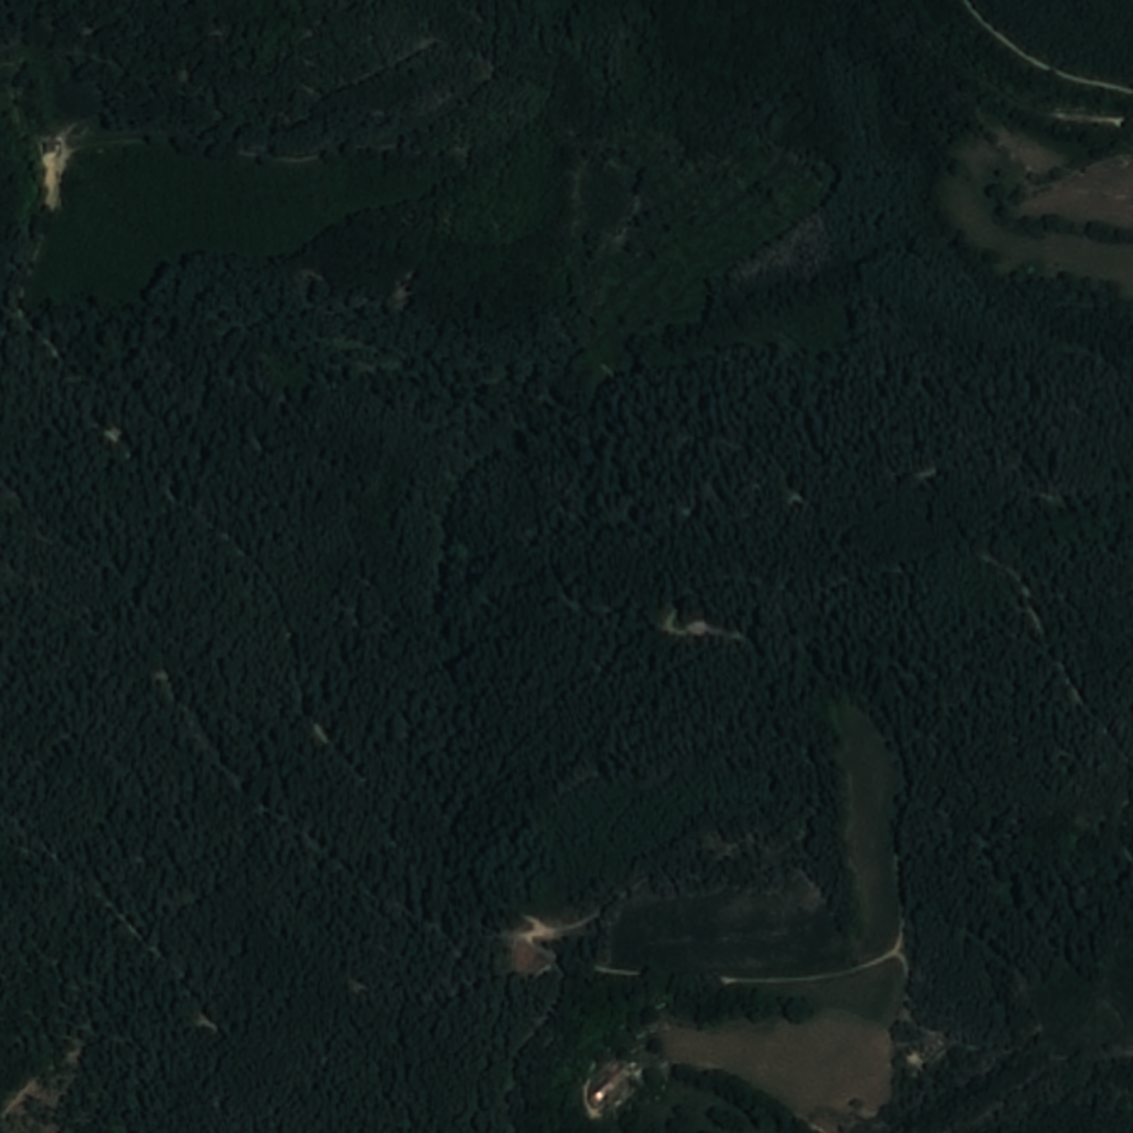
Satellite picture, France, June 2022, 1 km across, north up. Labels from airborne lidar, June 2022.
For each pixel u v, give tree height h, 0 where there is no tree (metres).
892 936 0
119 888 24
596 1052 16
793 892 0
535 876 36
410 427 23
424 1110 25
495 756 34
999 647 26
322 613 27
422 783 31
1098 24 11
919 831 29
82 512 30
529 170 15
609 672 13
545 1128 15
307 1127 24
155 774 29
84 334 12
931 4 10
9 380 22
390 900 32
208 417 26
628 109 21
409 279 13
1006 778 23
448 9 15
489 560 18
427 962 31
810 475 33
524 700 24
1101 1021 0
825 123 18
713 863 20
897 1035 8
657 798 11
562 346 37
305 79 26
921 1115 9
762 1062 0
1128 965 0
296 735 27
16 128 22
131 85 21
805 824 22
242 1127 18
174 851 31
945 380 28
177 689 16
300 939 26
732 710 28
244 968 22
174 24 22
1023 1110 11
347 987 24
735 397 30
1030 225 15
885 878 0
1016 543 16
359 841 25
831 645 17
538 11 27
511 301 25
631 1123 19
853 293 20
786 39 15
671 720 25
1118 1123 26
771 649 31
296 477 28
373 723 21
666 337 13
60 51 24
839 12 21
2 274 23
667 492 30
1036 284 20
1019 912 10
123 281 6
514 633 24
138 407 30
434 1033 8
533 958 0
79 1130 24
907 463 25
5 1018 8
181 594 25
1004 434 26
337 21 21
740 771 16
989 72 8
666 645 21
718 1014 16
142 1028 26
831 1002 0
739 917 0
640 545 25
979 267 18
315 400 24
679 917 0
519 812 32
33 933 27
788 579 27
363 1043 23
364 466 27
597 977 10
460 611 29
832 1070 0
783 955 0
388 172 10
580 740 25
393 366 34
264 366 22
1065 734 27
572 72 24
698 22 24
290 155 34
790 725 28
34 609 22
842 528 24
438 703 36
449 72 19
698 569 27
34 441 22
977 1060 14
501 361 37
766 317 18
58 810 21
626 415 33
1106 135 15
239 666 28
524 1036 21
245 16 26
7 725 14
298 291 30
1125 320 19
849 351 21
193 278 37
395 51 17
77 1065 10
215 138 33
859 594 22
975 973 26
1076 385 28
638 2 22
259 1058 22
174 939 28
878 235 22
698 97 17
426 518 28
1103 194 0
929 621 29
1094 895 30
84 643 16
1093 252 0
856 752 0
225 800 18
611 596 26
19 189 22
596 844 9
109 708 27
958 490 23
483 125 19
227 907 24
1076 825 12
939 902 27
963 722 17
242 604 25
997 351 24
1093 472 32
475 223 13
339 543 26
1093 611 20
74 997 25
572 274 17
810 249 25
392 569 14
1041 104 7
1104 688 24
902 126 13
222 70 26
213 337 34
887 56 15
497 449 24
